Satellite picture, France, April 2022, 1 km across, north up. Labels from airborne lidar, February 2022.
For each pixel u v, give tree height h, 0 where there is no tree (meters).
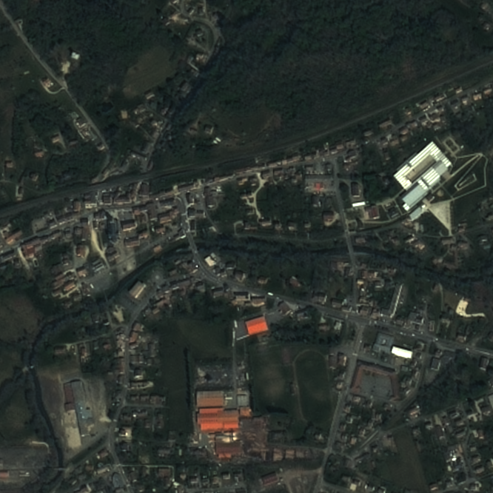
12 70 0
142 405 0
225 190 0
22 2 27
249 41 20
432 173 0
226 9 7
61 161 8
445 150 0
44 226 0
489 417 0
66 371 0
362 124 10
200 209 0
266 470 0
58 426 0
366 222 0
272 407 0
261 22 29
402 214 0
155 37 17
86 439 0
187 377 0
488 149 12
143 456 0
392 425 0
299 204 0
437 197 0
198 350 0
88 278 0
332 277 15
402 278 14
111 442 0
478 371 0
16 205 0
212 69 18
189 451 10
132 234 0
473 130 16
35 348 20
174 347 0
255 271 13
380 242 16
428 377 0
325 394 0
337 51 20
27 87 0
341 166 0
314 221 0
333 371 0
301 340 10
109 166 6
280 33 24
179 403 0
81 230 0
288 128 18
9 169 0
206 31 0
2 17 0
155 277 0
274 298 0
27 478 0
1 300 0
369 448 0
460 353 13
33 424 16
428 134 0
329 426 0
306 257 28
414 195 0
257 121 0
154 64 0
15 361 0
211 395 0
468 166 0
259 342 0
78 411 0
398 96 0
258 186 0
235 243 21
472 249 10
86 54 18
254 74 21
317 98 23
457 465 0
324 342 14
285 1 21
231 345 0
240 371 0
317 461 0
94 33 21
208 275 0
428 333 0
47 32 27
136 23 24
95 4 24
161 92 21
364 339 0
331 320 0
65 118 6
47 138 7
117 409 0
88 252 0
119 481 0
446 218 0
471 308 0
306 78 24
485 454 0
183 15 0
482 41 0
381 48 28
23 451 0
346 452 0
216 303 0
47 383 0
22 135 10
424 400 10
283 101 23
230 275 0
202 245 0
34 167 0
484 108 8
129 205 0
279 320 0
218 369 0
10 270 14
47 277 0
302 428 0
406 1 24
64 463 0
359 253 0
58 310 0
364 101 20
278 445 0
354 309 0
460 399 24
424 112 0
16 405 0
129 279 0
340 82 11
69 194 0
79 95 20
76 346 0
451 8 0
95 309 24
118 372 0
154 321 0
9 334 0
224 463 0
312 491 0
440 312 0
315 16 20
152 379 0
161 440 14
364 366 0
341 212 0
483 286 0
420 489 0
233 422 0
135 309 0
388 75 21
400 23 21
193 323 0
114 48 19
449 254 0
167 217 0
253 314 0
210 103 19
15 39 0
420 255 0
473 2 10
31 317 0
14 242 0
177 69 7
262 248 20
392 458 0
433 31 29
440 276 20
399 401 0
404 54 21
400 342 0
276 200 17
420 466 0
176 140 7
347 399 0
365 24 21
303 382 0
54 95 0
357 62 13
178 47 7
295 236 0
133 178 0
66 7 20
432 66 20
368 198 10
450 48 29
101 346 7
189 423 0
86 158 11
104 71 21
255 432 0
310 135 0
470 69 0
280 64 22
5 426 0
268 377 0
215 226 0
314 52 18
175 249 0
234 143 0
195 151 10
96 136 0
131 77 0
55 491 0
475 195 0
